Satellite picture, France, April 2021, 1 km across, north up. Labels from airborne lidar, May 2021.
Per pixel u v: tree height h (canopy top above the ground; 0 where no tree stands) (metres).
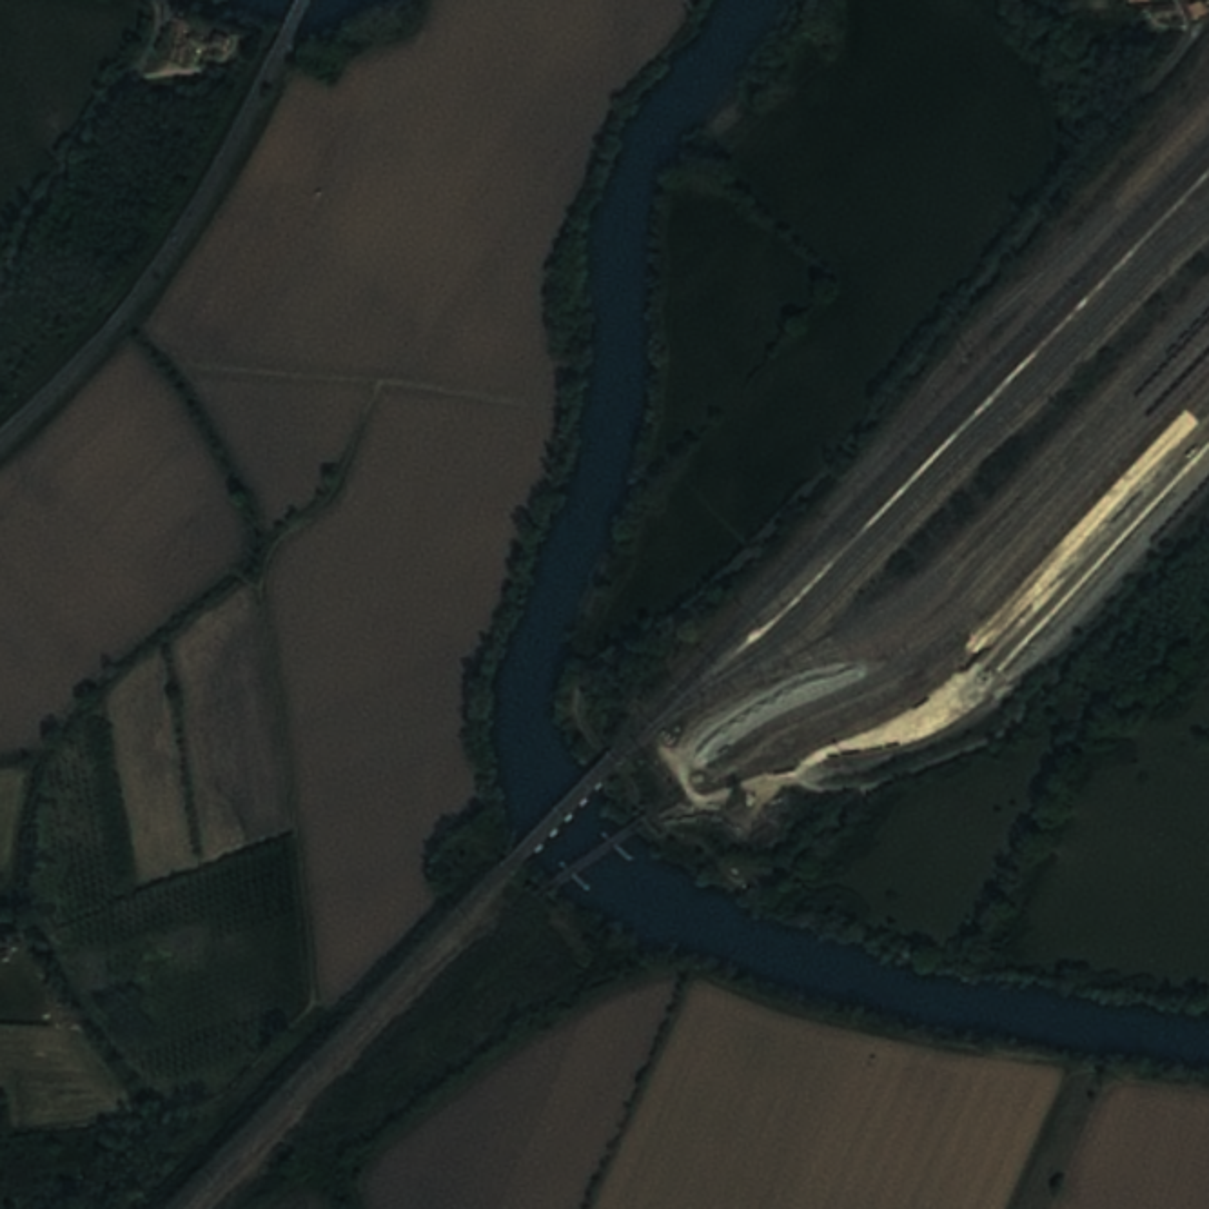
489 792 14
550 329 12
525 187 0
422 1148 0
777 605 0
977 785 0
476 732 21
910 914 0
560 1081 0
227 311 0
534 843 0
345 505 0
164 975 0
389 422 0
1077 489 0
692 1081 0
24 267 12
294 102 0
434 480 0
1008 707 11
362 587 0
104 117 16
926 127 0
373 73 0
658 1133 0
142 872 0
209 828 0
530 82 0
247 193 0
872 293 0
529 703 0
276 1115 0
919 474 0
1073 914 0
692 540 0
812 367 0
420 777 0
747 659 0
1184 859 0
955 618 0
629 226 0
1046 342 0
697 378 0
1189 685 9
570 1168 0
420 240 0
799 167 0
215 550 0
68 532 0
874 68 0
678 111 0
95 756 5
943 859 0
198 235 0
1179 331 0
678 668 0
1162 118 0
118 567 0
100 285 22
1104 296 0
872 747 0
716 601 9
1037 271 0
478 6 0
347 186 0
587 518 0
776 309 0
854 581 0
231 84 17
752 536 9
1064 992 13
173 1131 17
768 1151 0
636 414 0
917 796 0
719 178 22
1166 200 0
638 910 0
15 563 0
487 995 8
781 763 0
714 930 0
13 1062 0
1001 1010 0
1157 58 15
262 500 0
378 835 0
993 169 0
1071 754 24
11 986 0
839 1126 0
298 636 0
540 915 8
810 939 0
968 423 0
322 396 0
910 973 0
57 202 15
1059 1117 0
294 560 0
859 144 0
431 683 0
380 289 0
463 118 0
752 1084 0
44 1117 0
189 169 24
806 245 7
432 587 0
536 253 0
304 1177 9
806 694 0
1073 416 0
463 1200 0
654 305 7
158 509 0
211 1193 0
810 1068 0
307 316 0
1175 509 0
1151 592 17
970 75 0
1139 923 0
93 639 0
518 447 0
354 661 0
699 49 0
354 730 0
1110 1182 0
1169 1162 0
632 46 0
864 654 0
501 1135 0
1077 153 16
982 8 0
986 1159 0
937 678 0
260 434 0
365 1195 0
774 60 9
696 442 14
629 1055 0
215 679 0
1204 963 0
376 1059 7
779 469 0
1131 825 0
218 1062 9
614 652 8
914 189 0
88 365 0
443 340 0
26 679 0
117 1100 0
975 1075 0
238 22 13
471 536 0
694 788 0
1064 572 0
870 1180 0
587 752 8
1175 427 0
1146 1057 18
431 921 8
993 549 0
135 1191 21
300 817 0
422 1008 7
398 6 28
